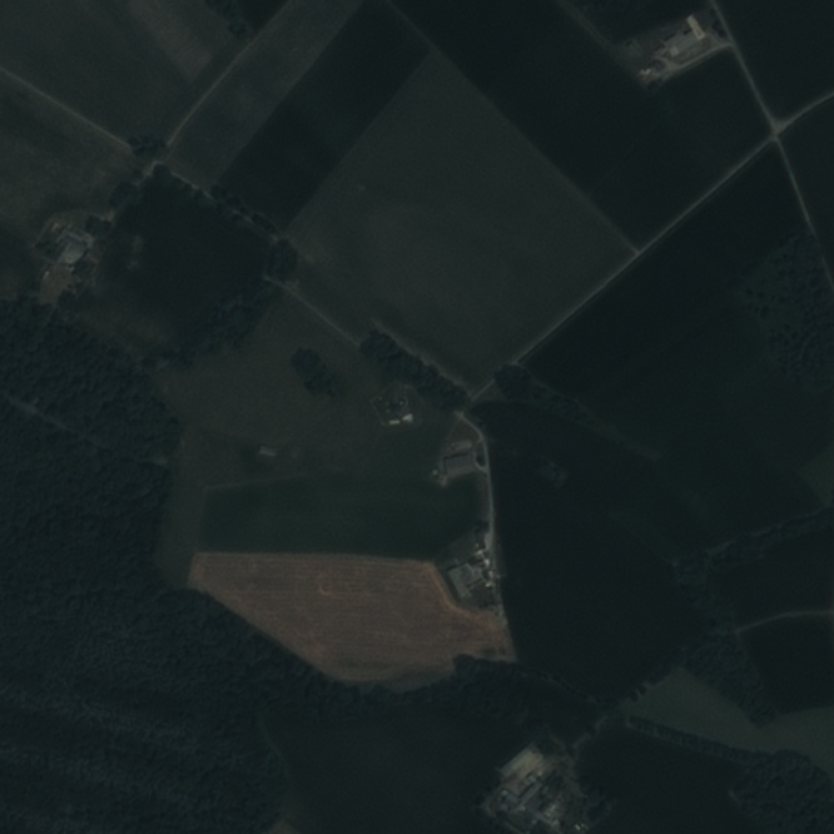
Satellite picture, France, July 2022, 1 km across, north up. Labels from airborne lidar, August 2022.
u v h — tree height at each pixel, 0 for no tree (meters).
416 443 0
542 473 14
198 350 22
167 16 0
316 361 21
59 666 19
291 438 0
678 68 0
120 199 19
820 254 15
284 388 0
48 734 21
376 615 0
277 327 0
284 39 0
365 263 0
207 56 0
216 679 28
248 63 0
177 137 0
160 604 33
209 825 17
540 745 17
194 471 0
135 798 17
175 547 0
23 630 24
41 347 17
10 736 22
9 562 18
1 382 11
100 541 17
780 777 18
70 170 0
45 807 18
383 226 0
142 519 20
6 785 22
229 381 0
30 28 0
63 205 0
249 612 0
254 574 0
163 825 24
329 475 0
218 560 0
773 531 9
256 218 11
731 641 18
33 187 0
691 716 0
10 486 20
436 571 0
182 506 0
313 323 0
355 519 0
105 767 18
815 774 30
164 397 0
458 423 0
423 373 23
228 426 0
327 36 0
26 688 18
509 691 25
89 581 15
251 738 27
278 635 0
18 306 18
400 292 0
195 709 18
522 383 20
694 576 18
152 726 19
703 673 24
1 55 0
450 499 0
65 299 18
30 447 20
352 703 33
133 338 0
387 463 0
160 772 20
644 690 17
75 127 0
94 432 24
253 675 25
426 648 0
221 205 12
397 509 0
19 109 0
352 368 0
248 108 0
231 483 0
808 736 0
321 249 0
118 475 28
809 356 15
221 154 0
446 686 23
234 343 25
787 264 9
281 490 0
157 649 21
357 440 0
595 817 17
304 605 0
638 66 0
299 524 0
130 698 21
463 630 0
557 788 7
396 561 0
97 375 23
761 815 26
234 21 21
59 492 24
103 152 0
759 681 16
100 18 0
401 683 0
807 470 0
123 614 14
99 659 17
